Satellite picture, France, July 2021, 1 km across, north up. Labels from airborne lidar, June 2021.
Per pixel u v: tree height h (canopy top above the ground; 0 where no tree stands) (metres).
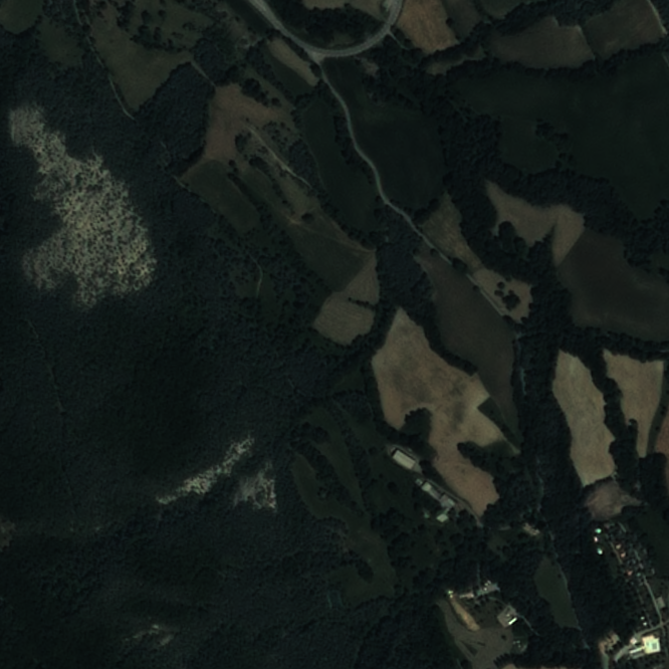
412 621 13
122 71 0
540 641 15
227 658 12
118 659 12
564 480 21
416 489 11
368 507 9
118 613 9
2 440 25
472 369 14
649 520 0
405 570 10
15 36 12
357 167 13
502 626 0
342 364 19
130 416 23
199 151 10
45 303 11
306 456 10
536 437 16
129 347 16
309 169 11
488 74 14
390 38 14
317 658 8
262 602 9
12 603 19
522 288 0
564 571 11
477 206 23
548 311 21
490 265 19
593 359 21
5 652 18
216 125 0
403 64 18
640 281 0
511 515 21
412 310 13
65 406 15
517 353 10
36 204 7
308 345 10
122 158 9
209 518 11
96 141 8
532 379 15
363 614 13
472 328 0
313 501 0
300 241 0
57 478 21
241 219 0
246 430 7
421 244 8
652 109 0
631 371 0
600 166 0
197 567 14
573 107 0
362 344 7
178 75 15
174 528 14
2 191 18
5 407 17
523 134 0
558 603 0
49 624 20
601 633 20
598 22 0
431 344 8
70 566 14
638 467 21
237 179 10
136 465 13
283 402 12
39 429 16
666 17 7
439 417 0
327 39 15
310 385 15
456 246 0
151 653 11
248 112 0
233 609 10
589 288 0
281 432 8
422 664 15
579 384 0
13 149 8
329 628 8
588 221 16
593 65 17
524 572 19
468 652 0
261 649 12
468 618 0
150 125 17
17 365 16
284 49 0
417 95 19
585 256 0
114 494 7
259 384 10
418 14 0
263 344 10
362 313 0
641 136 0
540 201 19
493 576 14
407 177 0
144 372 21
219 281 13
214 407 16
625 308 0
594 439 0
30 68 11
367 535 0
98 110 9
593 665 22
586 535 17
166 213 14
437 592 16
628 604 9
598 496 0
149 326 14
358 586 0
